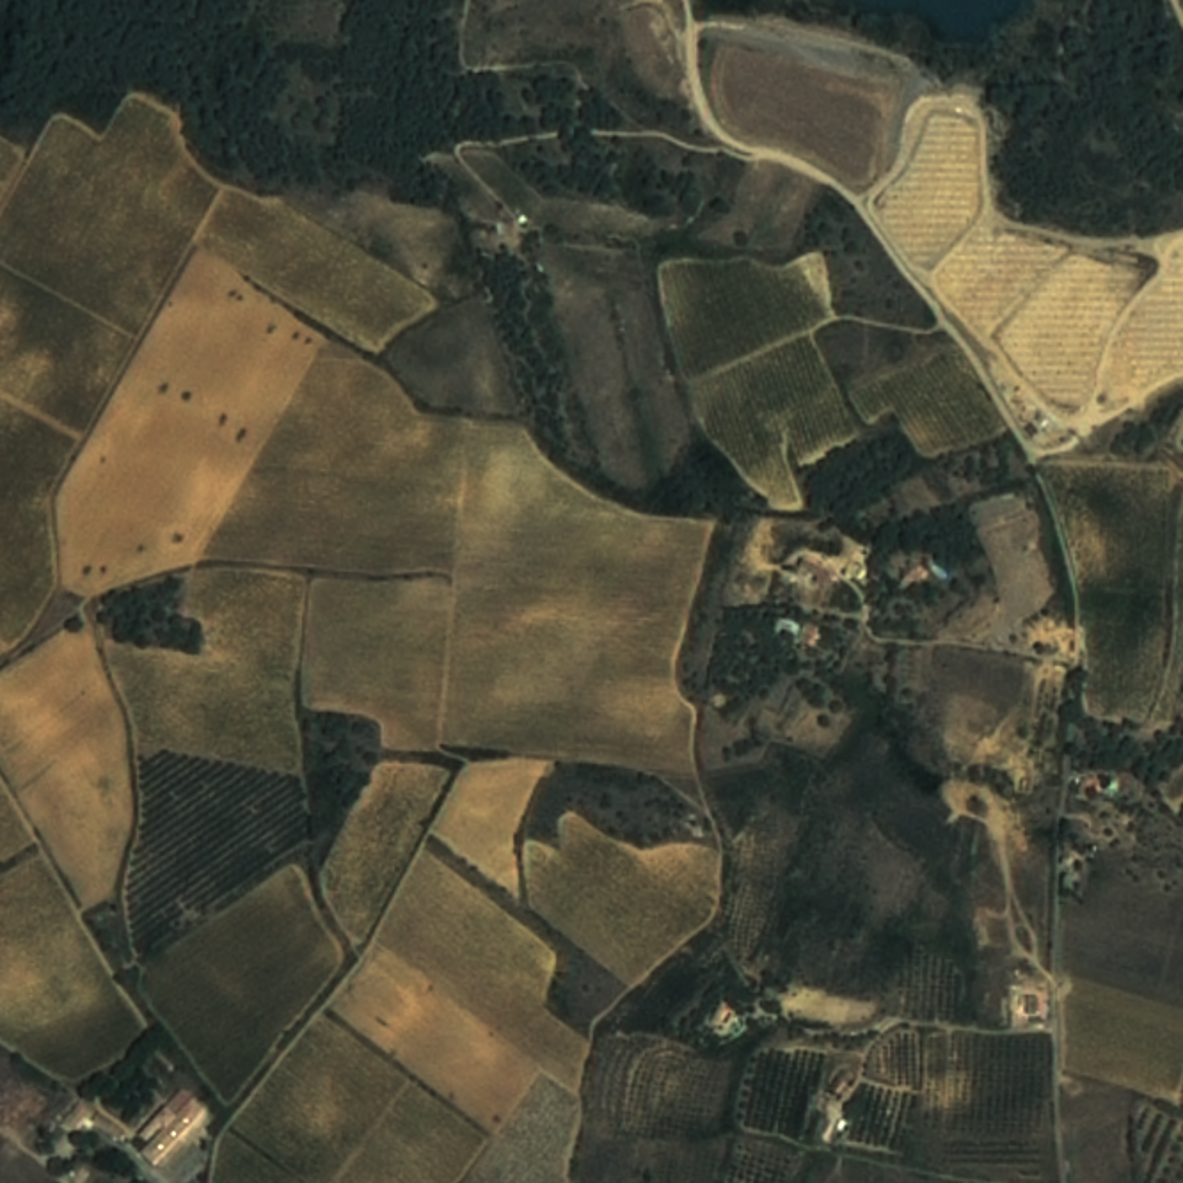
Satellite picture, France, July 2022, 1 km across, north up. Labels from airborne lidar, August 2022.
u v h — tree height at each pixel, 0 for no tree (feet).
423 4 37
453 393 0
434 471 0
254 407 0
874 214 0
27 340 0
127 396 0
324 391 0
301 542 0
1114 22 38
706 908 0
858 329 0
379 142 31
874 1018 0
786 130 0
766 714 0
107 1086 44
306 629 0
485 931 0
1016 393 0
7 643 0
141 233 0
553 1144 0
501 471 0
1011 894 0
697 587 0
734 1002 34
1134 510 0
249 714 0
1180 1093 0
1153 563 0
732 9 22
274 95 31
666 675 0
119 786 0
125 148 0
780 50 0
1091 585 0
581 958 0
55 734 0
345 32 33
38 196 0
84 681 0
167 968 0
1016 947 0
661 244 19
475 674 0
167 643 21
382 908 0
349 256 0
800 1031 28
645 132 0
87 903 0
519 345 27
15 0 22
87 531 0
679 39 0
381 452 0
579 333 0
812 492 33
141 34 45
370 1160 0
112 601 29
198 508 0
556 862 0
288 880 0
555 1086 0
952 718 0
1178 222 0
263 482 0
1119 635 0
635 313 0
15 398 0
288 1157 0
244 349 0
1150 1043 0
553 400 32
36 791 0
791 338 0
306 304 0
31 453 0
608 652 0
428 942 0
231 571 0
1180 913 0
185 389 0
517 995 0
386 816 0
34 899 0
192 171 0
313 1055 0
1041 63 37
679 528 0
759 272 0
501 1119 0
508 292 34
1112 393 0
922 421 0
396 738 0
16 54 56
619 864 0
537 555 0
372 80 29
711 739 0
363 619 0
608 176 35
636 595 0
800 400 0
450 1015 0
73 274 0
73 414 0
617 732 0
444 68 51
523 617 0
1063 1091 0
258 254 0
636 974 0
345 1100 0
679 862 0
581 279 0
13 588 0
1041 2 0
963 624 0
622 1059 0
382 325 0
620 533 0
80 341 0
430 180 40
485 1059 0
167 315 0
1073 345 0
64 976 0
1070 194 22
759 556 0
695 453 20
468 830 0
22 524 0
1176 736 34
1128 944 0
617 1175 0
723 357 0
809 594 0
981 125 0
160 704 0
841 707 32
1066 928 0
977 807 21
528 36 0
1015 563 0
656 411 0
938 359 0
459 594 0
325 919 0
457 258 0
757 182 0
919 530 45
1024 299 0
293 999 0
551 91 50
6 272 0
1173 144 25
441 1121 0
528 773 0
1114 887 0
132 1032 0
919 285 0
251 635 0
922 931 0
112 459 0
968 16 0
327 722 24
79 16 47
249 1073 0
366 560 0
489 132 51
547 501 0
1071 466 0
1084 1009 0
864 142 0
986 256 0
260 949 0
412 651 0
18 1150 0
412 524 0
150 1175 0
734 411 0
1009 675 0
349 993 0
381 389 0
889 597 29
